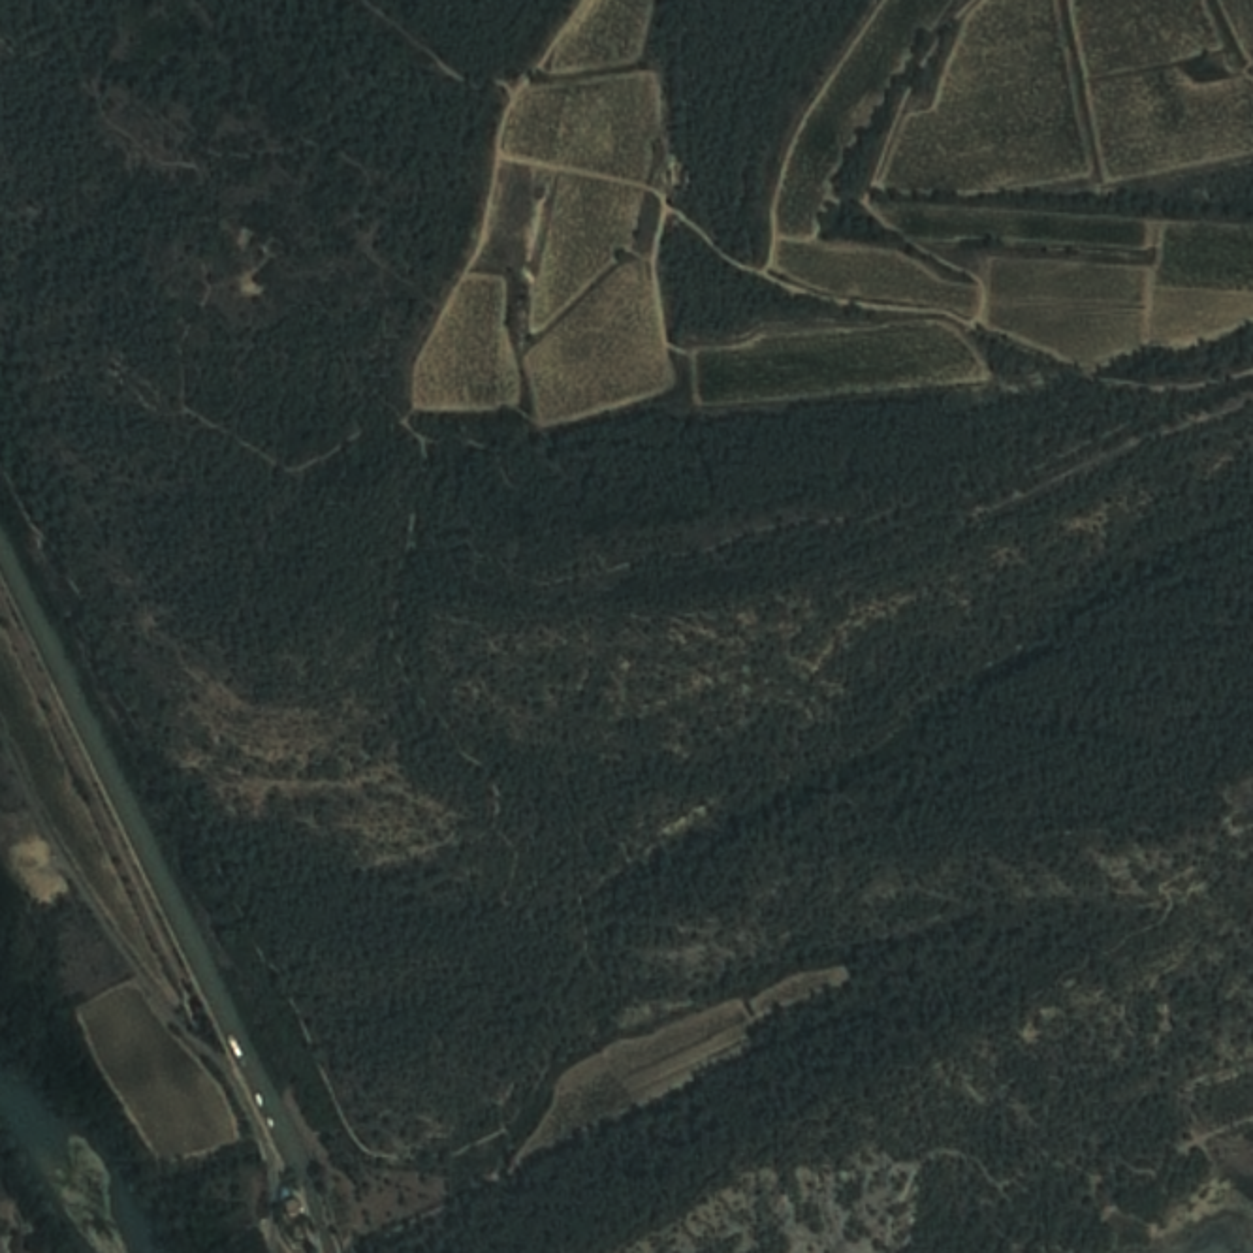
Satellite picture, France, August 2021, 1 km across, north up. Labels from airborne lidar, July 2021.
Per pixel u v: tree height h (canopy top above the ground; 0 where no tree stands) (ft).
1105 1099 39
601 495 49
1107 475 31
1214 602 40
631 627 34
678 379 0
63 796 0
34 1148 0
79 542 31
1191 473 33
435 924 43
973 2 0
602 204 0
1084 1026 31
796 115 0
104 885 0
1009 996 32
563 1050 30
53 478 40
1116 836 30
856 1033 42
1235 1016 17
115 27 45
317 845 28
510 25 37
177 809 28
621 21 0
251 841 37
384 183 22
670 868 41
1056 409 28
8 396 45
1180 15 0
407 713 38
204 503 35
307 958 34
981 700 46
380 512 23
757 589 30
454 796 24
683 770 29
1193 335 0
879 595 25
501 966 40
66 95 36
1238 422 34
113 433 37
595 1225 41
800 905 27
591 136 0
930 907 27
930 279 0
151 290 32
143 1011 0
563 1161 52
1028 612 20
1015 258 0
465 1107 29
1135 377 32
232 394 30
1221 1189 0
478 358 0
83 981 0
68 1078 45
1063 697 34
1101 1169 45
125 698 43
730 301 23
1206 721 31
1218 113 0
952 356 0
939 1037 28
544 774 33
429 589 27
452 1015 35
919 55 28
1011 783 27
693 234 29
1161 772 23
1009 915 29
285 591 33
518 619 18
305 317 35
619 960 26
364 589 31
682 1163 42
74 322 19
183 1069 0
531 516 28
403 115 48
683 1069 0
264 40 38
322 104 36
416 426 24
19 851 0
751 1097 47
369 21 45
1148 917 28
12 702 0
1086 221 0
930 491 38
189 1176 18
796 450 47
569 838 37
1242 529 51
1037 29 0
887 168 0
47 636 0
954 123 0
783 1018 49
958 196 36
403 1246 28
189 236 19
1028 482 32
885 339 0
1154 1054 25
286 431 28
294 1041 19
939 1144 25
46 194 32
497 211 0
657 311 0
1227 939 35
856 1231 24
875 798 31
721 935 24
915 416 40
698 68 36
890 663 35
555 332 0
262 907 51
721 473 49
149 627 0
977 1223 42
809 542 27
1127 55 0
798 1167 40
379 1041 28
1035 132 0
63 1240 70
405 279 32
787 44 33
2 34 25
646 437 47
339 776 20
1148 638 37
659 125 0
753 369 0
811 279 0
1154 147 0
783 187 0
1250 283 0
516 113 0
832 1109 32
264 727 0
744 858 32
